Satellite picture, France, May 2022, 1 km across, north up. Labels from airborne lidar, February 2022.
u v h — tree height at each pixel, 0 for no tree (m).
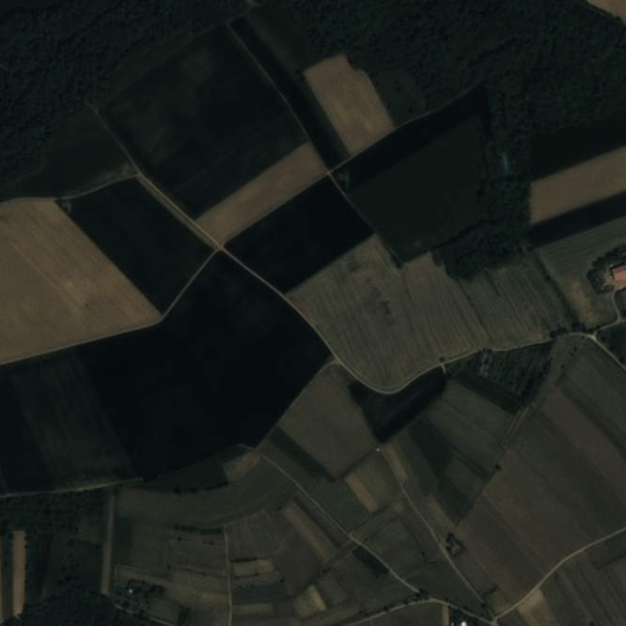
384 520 0
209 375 0
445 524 0
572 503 0
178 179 0
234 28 0
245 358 0
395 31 18
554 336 11
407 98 0
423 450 0
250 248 0
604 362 0
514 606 0
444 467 0
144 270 0
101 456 0
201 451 0
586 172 0
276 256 0
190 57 0
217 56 0
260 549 0
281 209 0
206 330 0
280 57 0
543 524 0
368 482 0
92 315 0
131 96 0
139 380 0
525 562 0
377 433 0
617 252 7
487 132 0
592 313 0
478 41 0
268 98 0
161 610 0
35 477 0
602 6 0
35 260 0
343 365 0
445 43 16
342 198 0
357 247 0
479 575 0
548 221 0
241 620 0
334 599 0
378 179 0
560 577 0
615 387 0
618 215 0
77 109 14
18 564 0
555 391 0
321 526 0
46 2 0
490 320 0
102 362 0
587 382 0
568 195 0
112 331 0
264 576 0
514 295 0
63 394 0
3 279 0
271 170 0
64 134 0
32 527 11
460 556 0
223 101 0
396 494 0
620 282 0
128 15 17
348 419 0
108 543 0
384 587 0
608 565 0
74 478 0
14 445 0
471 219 0
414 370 0
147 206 0
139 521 0
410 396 0
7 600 0
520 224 22
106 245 0
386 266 0
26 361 0
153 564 0
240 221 0
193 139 0
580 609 0
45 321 0
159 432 0
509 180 18
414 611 0
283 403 0
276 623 0
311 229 0
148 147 0
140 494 0
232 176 0
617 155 0
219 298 0
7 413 0
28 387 0
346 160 0
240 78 0
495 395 0
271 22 0
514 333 0
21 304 0
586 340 0
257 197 0
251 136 0
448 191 0
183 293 0
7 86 20
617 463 0
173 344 0
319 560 0
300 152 0
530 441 0
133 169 0
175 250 0
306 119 0
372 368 0
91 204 0
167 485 0
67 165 0
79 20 0
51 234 0
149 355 0
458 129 0
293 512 0
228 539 0
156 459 0
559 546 0
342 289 0
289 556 0
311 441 0
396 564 0
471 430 0
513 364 6
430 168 0
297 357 0
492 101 17
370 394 0
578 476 0
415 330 0
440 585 0
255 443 0
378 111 0
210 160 0
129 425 0
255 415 0
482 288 0
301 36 0
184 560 0
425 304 0
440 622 0
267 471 0
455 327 0
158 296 0
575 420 0
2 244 0
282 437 0
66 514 9
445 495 0
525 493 0
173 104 0
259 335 0
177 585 0
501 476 0
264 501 0
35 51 23
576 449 0
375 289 0
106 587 0
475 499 0
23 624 16
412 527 0
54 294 0
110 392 0
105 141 0
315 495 0
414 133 0
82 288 0
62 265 0
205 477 0
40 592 0
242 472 0
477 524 0
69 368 0
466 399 0
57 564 0
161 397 0
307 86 0
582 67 22
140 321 0
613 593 0
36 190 0
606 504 0
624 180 0
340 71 0
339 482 0
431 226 0
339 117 0
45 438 0
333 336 0
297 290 0
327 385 0
